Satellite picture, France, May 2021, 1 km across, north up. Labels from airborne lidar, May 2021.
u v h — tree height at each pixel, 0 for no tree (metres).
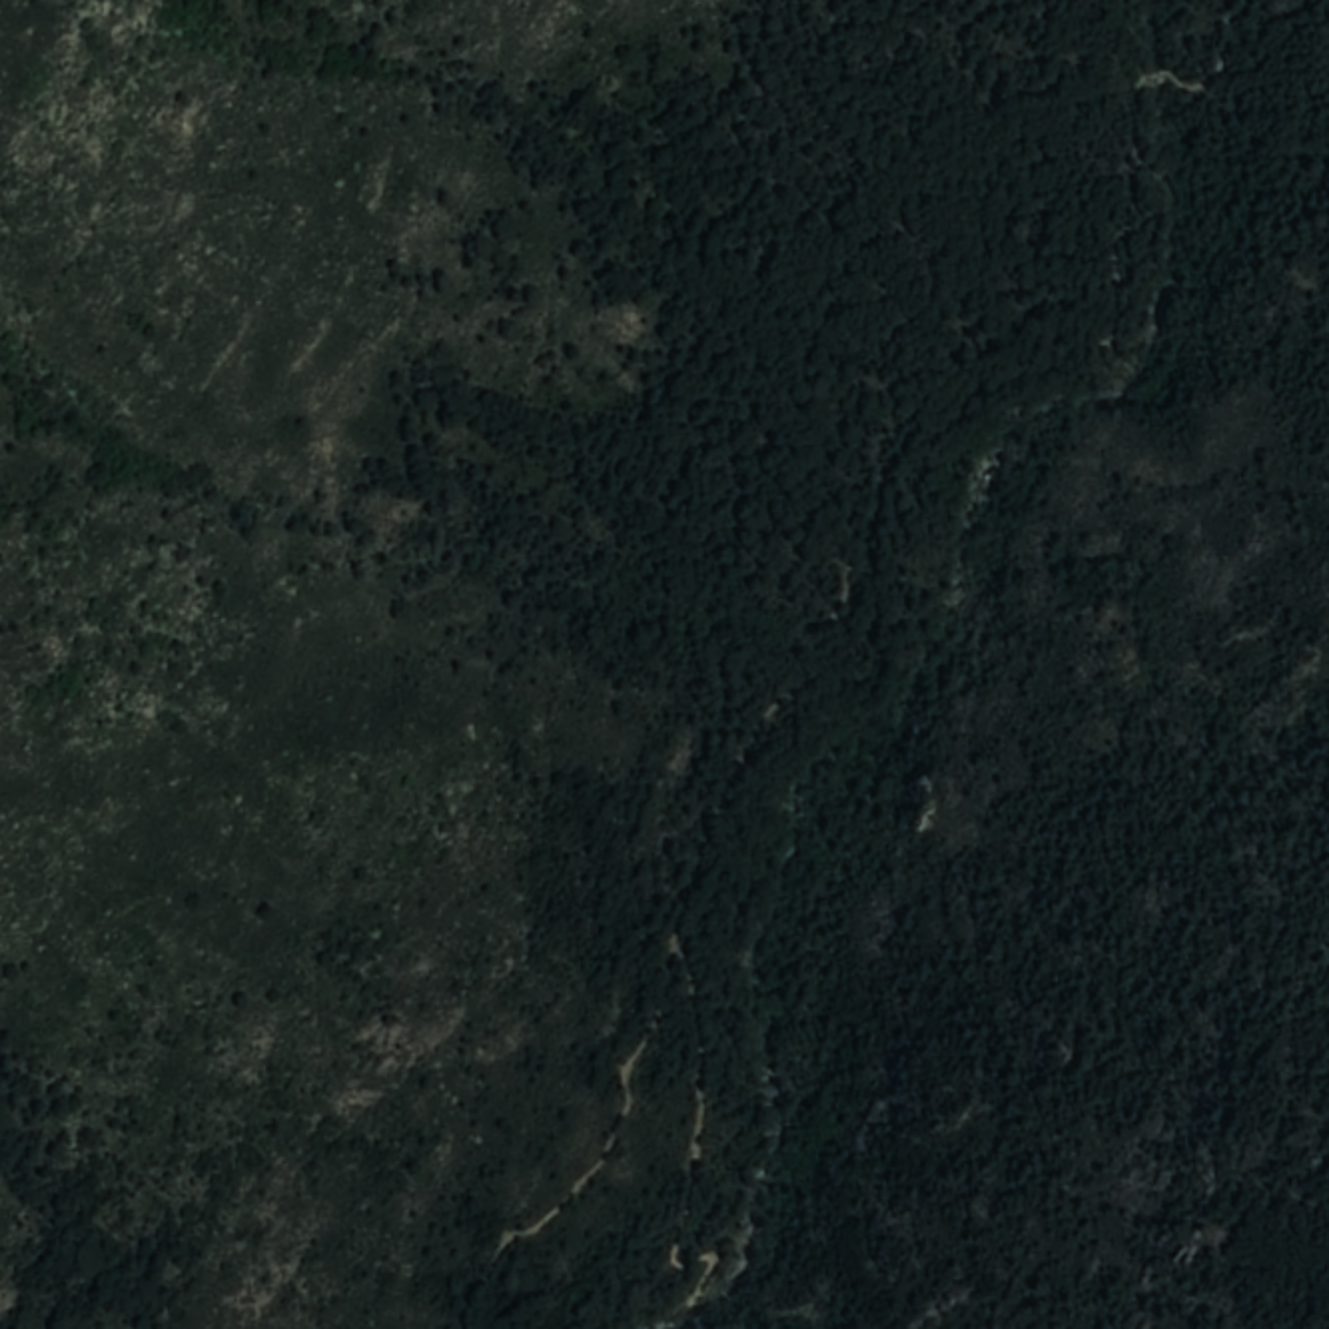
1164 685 6
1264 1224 16
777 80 27
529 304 21
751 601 13
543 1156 11
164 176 0
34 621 9
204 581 15
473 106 11
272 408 0
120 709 7
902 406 27
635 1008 8
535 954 9
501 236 25
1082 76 22
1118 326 23
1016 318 32
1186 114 26
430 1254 17
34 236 0
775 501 23
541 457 17
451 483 29
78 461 0
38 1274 13
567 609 10
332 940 10
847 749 14
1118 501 9
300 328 0
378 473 16
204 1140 6
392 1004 7
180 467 13
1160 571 6
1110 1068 18
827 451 29
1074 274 33
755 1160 10
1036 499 21
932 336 31
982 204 26
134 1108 9
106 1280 17
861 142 25
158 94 0
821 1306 8
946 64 19
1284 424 7
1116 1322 12
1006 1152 9
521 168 19
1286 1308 11
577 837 8
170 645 8
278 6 18
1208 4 9
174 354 0
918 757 9
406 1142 10
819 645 21
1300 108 15
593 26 9
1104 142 19
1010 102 31
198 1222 6
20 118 0
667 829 8
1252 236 9
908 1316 7
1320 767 25
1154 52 13
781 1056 24
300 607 0
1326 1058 18
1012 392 31
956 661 11
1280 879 10
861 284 31
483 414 29
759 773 29
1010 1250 8
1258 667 7
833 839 8
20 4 0
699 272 29
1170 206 16
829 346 29
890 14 24
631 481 13
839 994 7
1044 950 11
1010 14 23
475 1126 13
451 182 0
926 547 20
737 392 27
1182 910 10
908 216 23
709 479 23
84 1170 11
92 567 0
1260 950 18
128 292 0
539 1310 25
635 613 12
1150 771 13
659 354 13
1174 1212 9
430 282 14
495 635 13
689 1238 19
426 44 13
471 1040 9
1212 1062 7
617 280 29
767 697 27
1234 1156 16
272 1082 7
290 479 0
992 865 19
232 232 0
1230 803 14
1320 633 8
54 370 7
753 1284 8
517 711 7
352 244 0
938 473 30
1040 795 11
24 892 0
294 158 0
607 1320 14
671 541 27
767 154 31
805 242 34
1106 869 17
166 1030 6
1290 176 20
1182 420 6
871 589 29
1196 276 12
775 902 18
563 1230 8
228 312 0
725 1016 23
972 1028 9
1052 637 8
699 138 26
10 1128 19
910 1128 6
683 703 8
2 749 0
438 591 8
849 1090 8
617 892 26
